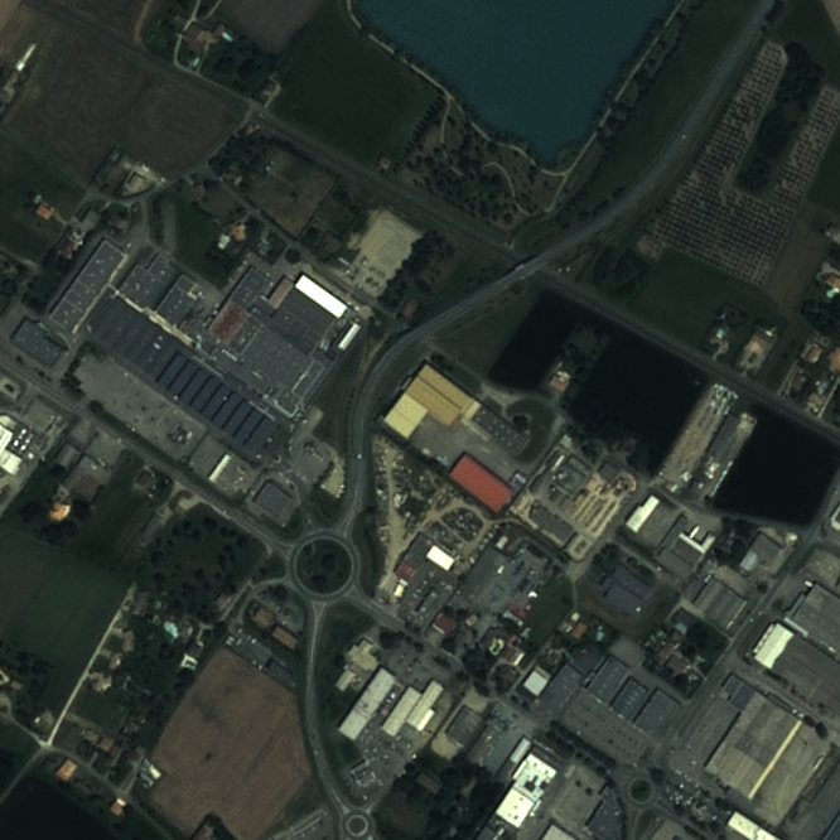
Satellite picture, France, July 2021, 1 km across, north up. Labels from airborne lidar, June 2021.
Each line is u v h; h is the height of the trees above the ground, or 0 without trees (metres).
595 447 6
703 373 0
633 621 0
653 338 0
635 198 0
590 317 0
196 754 0
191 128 0
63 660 0
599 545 0
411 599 0
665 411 0
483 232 0
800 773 0
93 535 0
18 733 0
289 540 0
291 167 0
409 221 0
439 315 0
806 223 0
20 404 0
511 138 9
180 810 0
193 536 13
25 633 0
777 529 0
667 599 0
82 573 0
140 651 0
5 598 0
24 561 0
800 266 0
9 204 0
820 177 0
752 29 0
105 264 0
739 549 14
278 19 0
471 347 0
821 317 13
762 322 6
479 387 0
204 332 0
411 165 8
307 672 0
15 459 0
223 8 0
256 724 0
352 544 0
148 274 0
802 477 0
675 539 0
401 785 11
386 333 0
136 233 0
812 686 0
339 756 0
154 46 0
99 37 0
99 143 0
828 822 0
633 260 7
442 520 0
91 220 0
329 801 0
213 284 0
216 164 10
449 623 0
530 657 5
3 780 20
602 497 0
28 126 0
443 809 9
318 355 0
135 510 0
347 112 0
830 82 0
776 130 11
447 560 0
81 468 0
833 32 0
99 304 0
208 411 0
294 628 0
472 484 0
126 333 0
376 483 0
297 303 0
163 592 5
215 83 0
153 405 0
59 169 0
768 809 0
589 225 0
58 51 0
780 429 0
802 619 0
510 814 0
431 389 0
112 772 6
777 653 0
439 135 0
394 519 0
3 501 0
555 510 0
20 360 7
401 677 0
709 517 0
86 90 0
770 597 0
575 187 0
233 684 0
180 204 0
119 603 0
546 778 0
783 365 0
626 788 0
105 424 0
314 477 0
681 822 0
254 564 0
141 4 0
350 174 0
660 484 0
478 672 10
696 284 0
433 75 6
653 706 0
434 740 0
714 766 0
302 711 0
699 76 0
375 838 0
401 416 0
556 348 0
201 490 0
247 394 0
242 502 0
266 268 0
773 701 0
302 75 0
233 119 0
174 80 0
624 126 7
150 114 0
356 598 0
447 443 0
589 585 0
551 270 0
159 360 0
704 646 7
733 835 0
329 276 0
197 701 0
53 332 0
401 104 0
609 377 0
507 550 0
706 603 0
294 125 0
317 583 8
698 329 0
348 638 0
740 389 0
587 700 0
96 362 0
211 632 10
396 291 9
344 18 0
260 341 0
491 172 0
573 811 0
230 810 0
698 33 0
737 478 0
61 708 0
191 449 0
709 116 0
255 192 0
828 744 0
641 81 13
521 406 0
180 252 0
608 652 6
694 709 0
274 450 0
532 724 0
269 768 0
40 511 13
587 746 7
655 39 16
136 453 0
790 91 8
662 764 0
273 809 0
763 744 0
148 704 7
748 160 0
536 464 0
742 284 0
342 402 0
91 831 0
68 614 0
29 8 0
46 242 0
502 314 0
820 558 0
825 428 0
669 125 0
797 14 0
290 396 0
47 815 0
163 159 0
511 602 0
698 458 0
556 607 0
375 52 0
